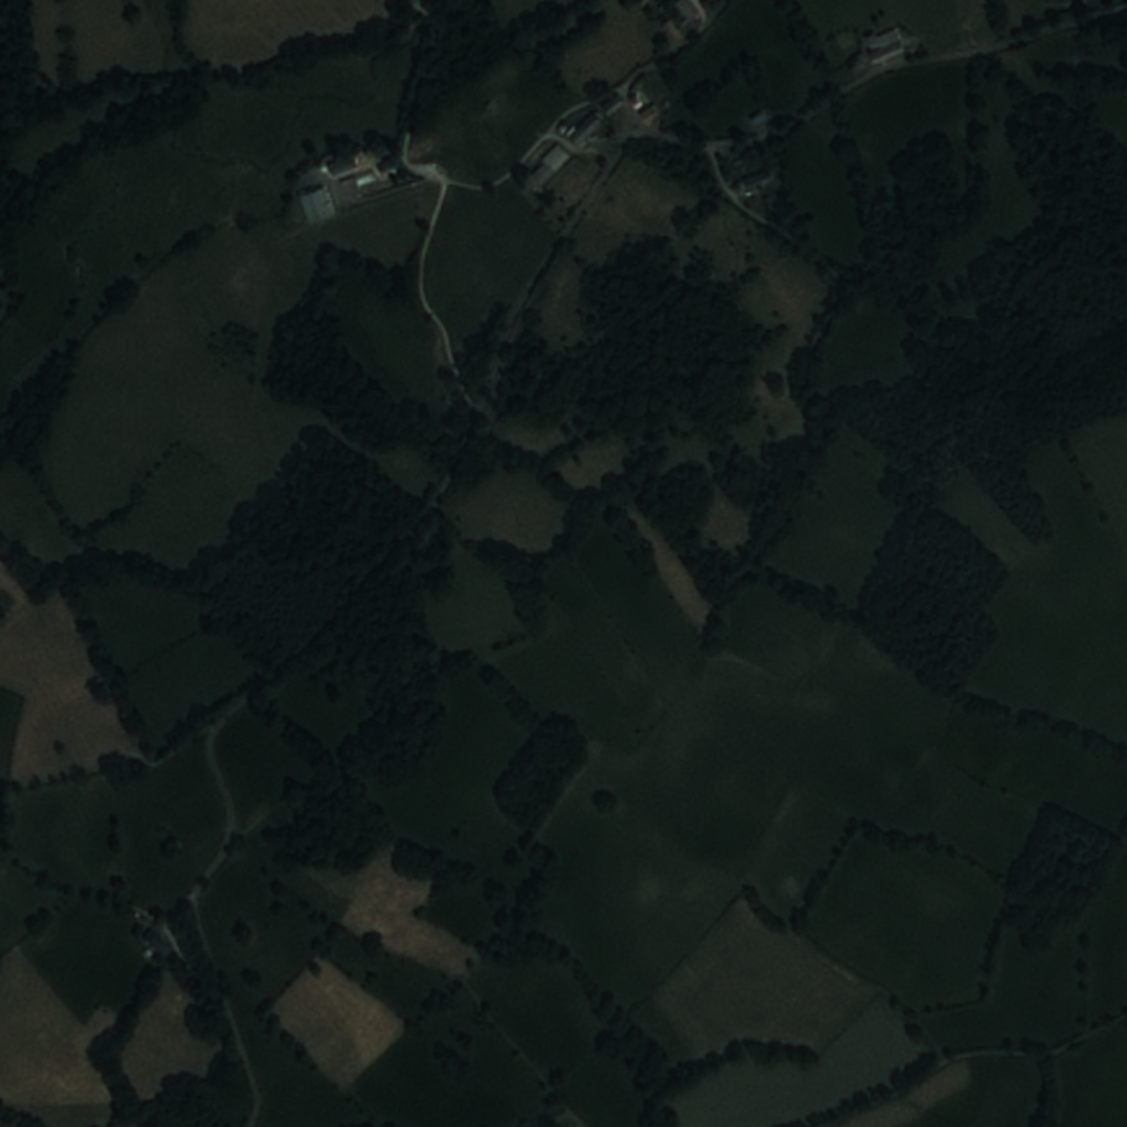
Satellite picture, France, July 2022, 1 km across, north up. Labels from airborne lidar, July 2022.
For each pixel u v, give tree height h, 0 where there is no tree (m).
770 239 18
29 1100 0
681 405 6
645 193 0
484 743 0
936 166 23
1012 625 0
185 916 21
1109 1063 0
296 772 0
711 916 0
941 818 0
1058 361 26
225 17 0
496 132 0
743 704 0
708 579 18
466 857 0
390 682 24
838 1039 0
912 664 12
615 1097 0
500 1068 0
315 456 20
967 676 11
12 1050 0
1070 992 0
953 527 27
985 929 0
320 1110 0
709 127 0
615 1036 16
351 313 0
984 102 15
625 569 0
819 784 0
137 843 0
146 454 0
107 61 0
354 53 14
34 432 20
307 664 23
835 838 0
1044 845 23
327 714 0
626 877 0
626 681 0
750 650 0
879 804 0
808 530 0
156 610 0
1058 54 0
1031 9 0
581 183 0
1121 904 0
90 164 0
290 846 11
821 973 0
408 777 12
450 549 20
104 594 0
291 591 26
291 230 0
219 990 13
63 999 0
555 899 0
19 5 16
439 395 0
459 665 15
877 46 0
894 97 0
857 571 0
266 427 0
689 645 0
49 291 0
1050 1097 17
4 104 18
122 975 0
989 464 28
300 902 7
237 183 0
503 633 0
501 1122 0
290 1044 14
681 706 0
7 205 14
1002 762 0
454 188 0
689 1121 0
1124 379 28
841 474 0
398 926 0
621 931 0
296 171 9
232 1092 0
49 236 0
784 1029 0
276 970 0
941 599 26
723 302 9
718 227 0
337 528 22
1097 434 0
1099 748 17
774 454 17
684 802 0
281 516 23
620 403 18
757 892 11
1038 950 15
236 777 0
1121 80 20
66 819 0
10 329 0
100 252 0
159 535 0
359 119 0
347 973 8
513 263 0
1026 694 0
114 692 16
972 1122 0
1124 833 14
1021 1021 0
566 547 20
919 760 0
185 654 0
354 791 22
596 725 0
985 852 0
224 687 0
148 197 0
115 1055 20
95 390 0
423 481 0
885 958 0
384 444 21
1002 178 0
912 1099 0
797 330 0
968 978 0
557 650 0
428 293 0
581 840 0
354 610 21
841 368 0
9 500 0
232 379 0
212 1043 15
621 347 10
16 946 0
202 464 0
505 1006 0
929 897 0
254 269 0
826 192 0
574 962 7
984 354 25
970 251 0
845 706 0
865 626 16
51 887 13
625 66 0
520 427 0
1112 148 18
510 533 0
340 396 22
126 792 0
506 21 0
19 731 0
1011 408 31
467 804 0
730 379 21
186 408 0
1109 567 0
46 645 0
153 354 0
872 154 0
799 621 0
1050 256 14
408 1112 0
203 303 0
